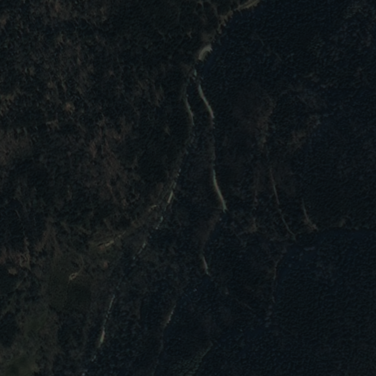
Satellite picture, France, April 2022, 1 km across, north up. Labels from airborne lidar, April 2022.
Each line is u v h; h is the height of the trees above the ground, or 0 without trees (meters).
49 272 24
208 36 23
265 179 11
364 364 20
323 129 14
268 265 15
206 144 16
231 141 19
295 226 17
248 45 28
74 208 26
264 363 27
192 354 22
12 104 24
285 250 33
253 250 15
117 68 34
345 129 29
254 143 25
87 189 26
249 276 19
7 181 25
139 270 8
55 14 27
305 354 25
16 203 31
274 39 29
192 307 26
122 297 22
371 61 19
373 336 17
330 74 21
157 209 0
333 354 26
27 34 34
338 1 21
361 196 25
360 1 14
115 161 30
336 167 23
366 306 27
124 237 10
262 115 12
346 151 20
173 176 17
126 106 30
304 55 22
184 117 24
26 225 14
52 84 31
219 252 19
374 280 25
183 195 15
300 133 11
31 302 9
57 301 8
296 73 30
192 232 22
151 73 35
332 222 23
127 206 24
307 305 27
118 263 9
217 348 14
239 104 19
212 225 17
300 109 10
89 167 32
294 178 10
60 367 20
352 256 27
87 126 18
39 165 20
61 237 22
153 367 16
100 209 20
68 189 22
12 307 6
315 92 24
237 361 20
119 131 34
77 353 25
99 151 33
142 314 10
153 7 31
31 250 27
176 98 30
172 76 20
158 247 19
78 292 7
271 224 30
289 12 28
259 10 7
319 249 31
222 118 30
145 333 17
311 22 22
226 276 23
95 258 7
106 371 8
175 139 24
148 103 30
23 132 33
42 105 35
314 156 22
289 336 28
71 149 27
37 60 26
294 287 21
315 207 24
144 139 31
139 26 29
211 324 17
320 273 23
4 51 16
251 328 16
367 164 18
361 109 24
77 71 6
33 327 0
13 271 0
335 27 21
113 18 25
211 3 7
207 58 0
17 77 22
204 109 21
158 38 30
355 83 16
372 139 25
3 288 19
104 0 29
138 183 29
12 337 26
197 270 25
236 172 17
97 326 13
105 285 7
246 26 30
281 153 7
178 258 7
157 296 12
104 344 6
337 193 23
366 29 7
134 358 21
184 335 23
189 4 22
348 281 23
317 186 25
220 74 26
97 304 9
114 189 22
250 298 17
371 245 27
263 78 20
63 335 31
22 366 0
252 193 23
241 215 32
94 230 19
